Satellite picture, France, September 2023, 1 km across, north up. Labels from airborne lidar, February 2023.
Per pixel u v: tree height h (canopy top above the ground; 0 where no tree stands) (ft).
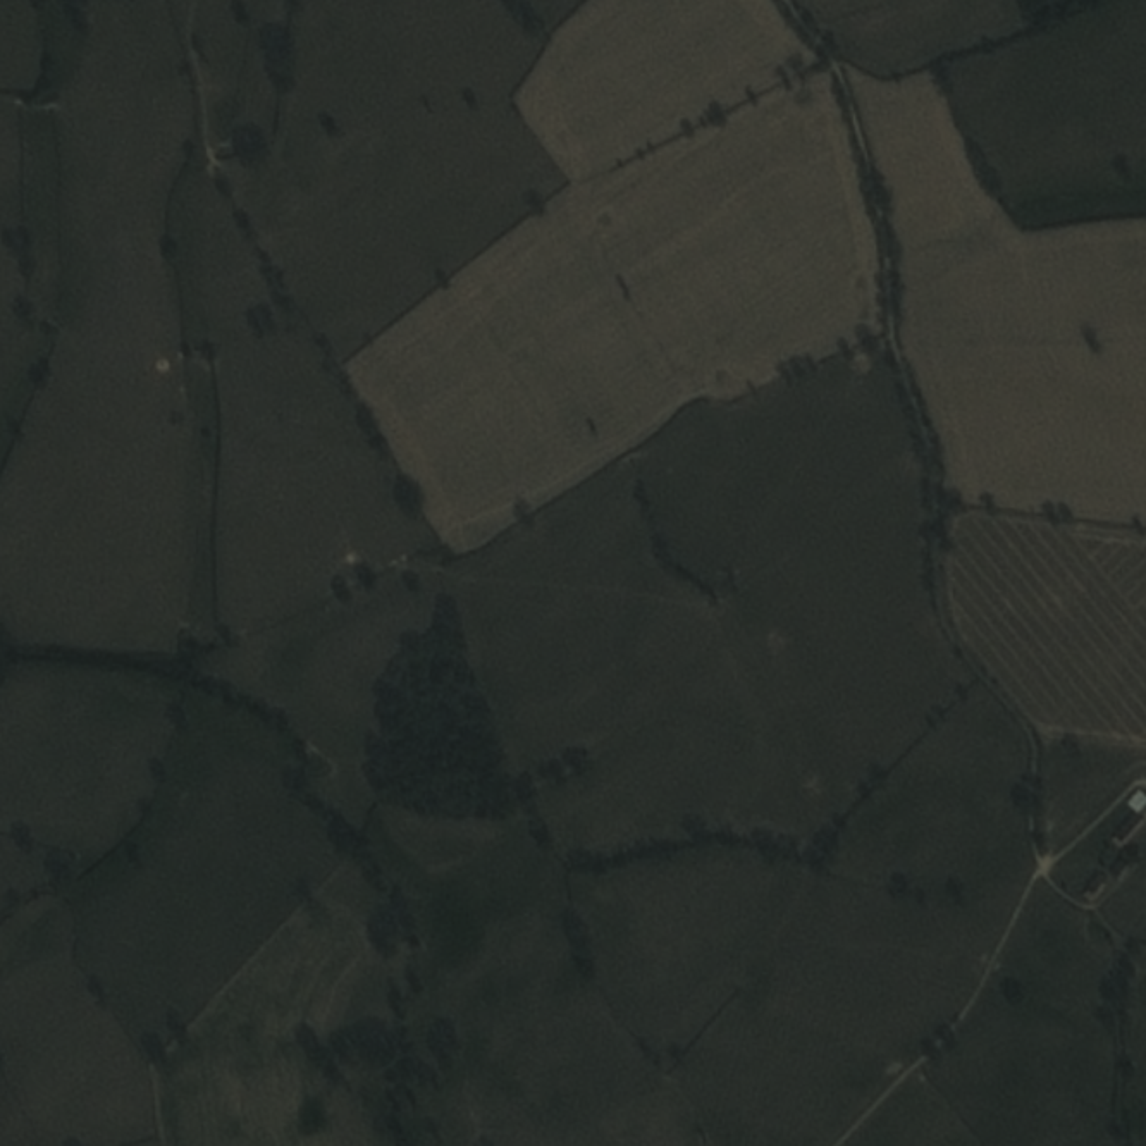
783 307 0
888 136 0
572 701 0
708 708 0
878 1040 0
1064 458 0
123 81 0
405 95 0
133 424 0
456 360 0
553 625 0
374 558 0
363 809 0
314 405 0
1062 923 0
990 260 0
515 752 0
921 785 0
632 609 0
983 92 0
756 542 0
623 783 0
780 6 27
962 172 0
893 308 52
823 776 0
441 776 24
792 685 0
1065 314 0
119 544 0
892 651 0
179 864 0
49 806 0
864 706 0
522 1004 0
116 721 0
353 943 0
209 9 0
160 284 0
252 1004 0
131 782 0
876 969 0
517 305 0
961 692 31
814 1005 0
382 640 0
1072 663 0
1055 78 0
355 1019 0
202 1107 0
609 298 0
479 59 0
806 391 0
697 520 0
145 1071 0
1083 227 0
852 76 0
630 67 0
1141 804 0
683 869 0
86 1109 0
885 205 49
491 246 0
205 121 0
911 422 39
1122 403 0
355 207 0
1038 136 0
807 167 0
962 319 0
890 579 0
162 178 0
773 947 0
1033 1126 0
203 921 0
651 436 0
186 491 0
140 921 0
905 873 0
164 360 0
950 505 45
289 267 0
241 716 0
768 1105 0
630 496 0
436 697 20
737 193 0
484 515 0
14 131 0
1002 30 0
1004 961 0
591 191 0
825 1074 0
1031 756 0
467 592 0
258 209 0
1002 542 0
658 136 0
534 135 0
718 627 0
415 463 0
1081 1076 0
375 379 0
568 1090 0
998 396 0
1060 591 0
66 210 0
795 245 0
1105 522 0
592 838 0
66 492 0
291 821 0
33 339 0
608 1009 0
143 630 0
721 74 0
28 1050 0
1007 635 0
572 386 0
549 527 0
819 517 0
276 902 0
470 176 0
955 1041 35
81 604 0
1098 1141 0
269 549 0
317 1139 0
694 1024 0
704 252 0
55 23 0
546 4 0
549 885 0
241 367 0
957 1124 0
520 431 0
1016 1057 0
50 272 0
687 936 0
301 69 0
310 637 0
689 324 0
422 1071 73
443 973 0
